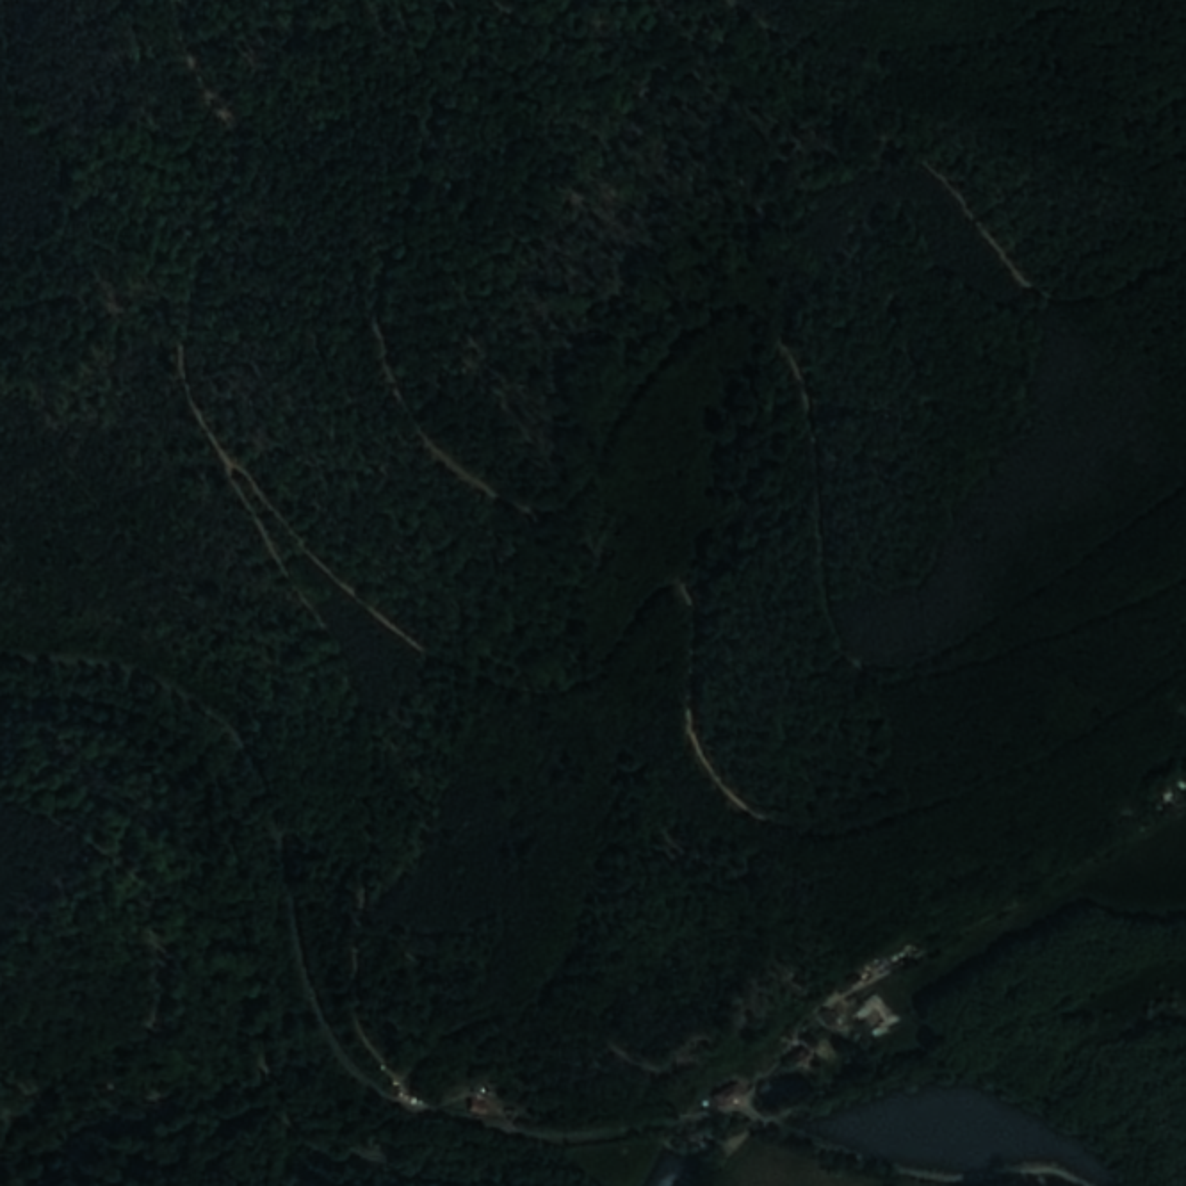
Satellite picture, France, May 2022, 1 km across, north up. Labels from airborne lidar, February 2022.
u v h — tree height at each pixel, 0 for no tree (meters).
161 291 28
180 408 8
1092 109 23
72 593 9
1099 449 18
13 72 22
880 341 22
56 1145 14
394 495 23
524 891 14
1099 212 21
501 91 26
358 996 27
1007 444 14
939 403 21
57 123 23
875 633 12
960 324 23
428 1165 26
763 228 30
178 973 27
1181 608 19
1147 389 17
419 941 17
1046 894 18
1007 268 10
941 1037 26
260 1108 26
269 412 26
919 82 22
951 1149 0
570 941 11
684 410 14
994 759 22
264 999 21
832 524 22
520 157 26
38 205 15
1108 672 19
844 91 21
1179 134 24
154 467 8
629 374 17
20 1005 24
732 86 27
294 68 25
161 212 27
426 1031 16
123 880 25
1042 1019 23
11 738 30
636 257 28
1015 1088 14
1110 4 23
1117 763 24
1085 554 16
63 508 8
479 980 11
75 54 24
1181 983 0
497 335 27
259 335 27
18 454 6
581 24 20
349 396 22
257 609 7
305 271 20
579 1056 18
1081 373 17
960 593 16
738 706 24
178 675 9
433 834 9
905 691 20
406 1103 0
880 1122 0
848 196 13
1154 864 0
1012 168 18
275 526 23
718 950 27
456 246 22
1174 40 23
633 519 21
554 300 28
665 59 27
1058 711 23
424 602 23
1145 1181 11
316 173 27
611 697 14
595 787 14
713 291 13
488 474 23
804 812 21
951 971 0
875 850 19
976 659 20
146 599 6
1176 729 25
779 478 13
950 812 21
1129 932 24
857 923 22
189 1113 31
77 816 31
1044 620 16
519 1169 22
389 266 21
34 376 25
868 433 23
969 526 14
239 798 21
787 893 19
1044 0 19
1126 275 19
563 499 28
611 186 28
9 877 15
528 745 12
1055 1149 0
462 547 22
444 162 22
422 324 27
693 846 26
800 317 28
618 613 22
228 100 29
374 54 22
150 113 24
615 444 22
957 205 11
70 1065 32
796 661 21
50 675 24
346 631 10
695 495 19
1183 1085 6
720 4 24
